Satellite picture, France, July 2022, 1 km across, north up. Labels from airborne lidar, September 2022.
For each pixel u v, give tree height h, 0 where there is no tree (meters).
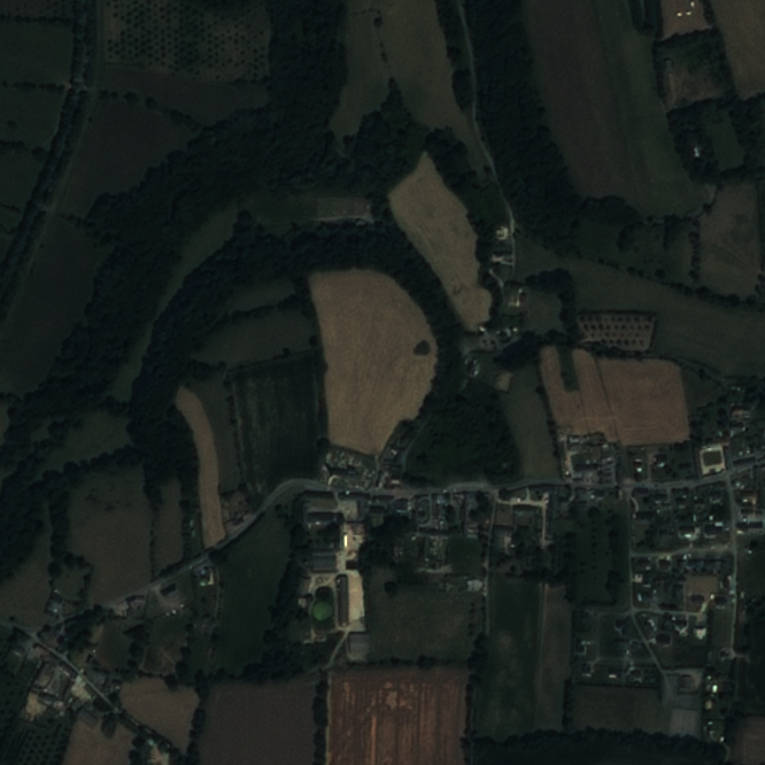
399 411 0
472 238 0
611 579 15
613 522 7
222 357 0
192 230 23
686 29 0
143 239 21
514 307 0
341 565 0
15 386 0
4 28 0
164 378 26
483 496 14
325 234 10
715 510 13
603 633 0
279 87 17
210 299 23
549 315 0
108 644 0
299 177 23
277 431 0
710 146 11
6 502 21
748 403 13
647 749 15
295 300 16
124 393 0
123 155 0
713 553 0
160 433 20
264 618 0
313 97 24
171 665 0
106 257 0
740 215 0
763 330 0
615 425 0
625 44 0
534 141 21
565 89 0
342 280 0
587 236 0
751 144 10
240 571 0
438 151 21
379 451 0
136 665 15
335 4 18
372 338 0
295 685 0
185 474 18
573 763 0
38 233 12
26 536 25
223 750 0
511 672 0
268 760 0
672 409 0
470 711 8
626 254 10
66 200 0
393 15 0
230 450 0
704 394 0
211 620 5
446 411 11
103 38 0
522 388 0
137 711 0
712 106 11
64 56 0
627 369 0
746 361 0
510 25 18
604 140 0
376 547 9
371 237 20
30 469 21
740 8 0
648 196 0
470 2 14
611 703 0
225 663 0
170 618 0
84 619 12
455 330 25
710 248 0
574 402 0
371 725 0
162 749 11
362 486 0
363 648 0
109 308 21
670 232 18
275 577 0
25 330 0
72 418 12
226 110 0
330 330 0
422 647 0
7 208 6
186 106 0
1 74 0
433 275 18
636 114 0
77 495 0
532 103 17
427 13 0
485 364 0
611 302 0
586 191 0
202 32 7
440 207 0
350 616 0
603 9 0
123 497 0
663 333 0
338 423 0
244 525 0
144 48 6
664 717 0
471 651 0
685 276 0
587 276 0
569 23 0
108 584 0
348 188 7
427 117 0
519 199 20
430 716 0
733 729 15
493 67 18
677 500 0
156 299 20
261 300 0
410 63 0
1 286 16
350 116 0
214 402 0
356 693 0
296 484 0
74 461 0
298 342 0
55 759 6
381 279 0
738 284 0
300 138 24
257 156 25
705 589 0
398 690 0
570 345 13
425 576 0
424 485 12
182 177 22
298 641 0
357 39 0
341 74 19
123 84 0
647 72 0
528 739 15
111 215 23
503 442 10
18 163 0
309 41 20
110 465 16
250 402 0
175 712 0
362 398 0
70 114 12
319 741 14
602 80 0
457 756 0
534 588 0
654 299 0
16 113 0
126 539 0
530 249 0
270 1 14
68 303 0
